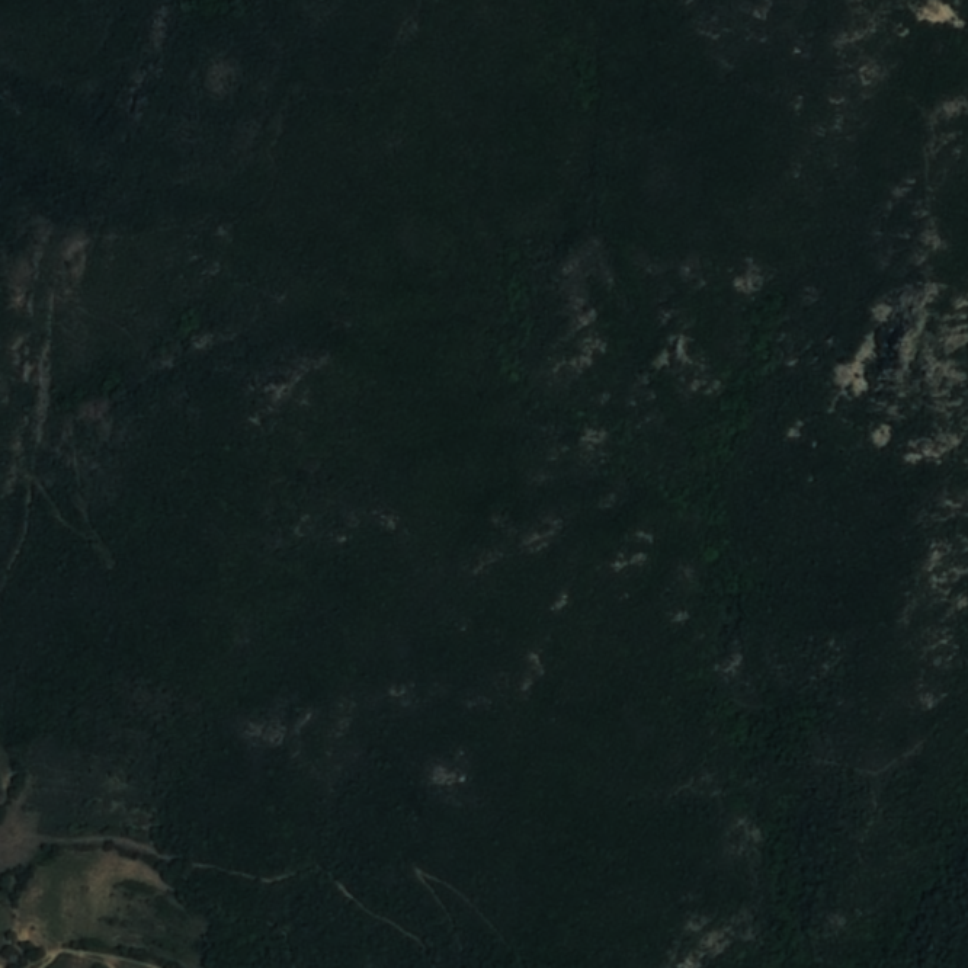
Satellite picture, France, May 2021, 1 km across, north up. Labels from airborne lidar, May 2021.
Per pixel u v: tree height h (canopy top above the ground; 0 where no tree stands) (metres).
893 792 6
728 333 6
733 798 9
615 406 6
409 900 6
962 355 6
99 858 0
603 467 7
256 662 7
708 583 11
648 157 5
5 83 7
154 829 8
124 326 7
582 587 5
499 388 6
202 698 5
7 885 8
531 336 6
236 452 6
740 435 7
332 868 9
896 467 6
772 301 15
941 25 9
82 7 7
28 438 7
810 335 6
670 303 5
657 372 8
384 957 8
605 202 7
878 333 7
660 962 6
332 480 10
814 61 6
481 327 7
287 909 7
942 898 7
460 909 7
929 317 5
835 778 7
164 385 7
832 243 6
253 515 6
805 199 5
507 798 5
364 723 6
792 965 9
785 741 11
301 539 7
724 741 5
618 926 5
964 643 7
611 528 6
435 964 9
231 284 6
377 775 6
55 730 6
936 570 9
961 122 5
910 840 8
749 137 6
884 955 7
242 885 7
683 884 6
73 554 8
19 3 6
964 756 6
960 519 6
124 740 6
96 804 6
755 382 8
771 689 7
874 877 7
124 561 7
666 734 6
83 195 9
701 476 11
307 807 6
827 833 9
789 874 9
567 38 7
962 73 6
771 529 6
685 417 7
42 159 6
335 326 8
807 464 6
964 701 6
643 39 5
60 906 0
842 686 7
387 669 6
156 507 9
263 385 6
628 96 6
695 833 6
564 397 6
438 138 6
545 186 5
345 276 5
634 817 7
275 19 8
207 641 5
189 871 10
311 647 6
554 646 6
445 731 6
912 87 6
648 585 5
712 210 6
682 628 6
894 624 7
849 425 7
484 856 5
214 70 0
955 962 8
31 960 11
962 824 10
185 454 6
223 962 10
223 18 7
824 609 6
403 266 6
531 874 6
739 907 6
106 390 10
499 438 6
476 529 5
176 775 7
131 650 6
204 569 5
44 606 8
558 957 6
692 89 5
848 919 5
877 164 5
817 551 5
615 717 6
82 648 6
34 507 6
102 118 7
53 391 8
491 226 6
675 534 7
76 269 0
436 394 6
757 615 7
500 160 6
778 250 7
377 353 7
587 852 6
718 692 11
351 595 5
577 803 5
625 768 6
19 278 0
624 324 6
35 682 7
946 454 11
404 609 5
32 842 0
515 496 6
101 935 0
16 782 10
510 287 12
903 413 10
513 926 5
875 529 6
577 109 8
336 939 7
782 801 11
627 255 6
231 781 6
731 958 10
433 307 6
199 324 6
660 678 5
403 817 6
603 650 6
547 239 7
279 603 6
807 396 7
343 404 6
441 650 5
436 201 6
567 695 7
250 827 5
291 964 8
